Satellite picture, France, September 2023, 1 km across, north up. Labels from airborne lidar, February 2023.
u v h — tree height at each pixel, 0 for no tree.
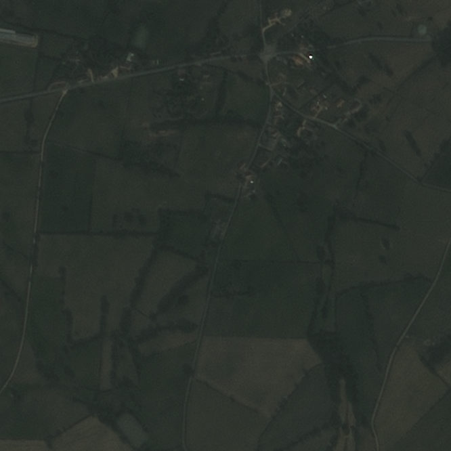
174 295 17
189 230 0
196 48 16
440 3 0
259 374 0
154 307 0
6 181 0
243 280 0
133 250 0
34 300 0
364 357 0
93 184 0
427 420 0
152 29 0
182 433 0
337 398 18
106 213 0
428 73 0
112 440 0
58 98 0
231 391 0
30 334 0
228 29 0
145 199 0
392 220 0
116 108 0
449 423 0
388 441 0
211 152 0
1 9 0
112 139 0
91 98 0
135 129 0
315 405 0
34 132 0
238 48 0
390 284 10
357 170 0
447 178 0
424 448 0
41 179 8
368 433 0
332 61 0
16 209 0
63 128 0
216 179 0
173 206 0
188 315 0
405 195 0
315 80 0
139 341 13
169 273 0
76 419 0
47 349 0
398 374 0
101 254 0
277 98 9
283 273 0
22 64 0
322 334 7
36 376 0
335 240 0
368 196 0
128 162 13
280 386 0
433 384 0
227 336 0
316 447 0
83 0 0
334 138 0
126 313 17
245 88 0
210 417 0
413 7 0
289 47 6
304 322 0
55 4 0
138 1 0
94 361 0
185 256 8
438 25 0
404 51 0
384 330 0
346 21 0
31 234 0
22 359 0
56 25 0
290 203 0
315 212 0
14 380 0
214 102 0
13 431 0
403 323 0
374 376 0
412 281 8
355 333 0
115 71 0
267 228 0
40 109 0
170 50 0
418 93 0
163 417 0
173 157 0
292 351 0
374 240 0
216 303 0
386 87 0
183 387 0
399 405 0
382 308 0
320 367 0
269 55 0
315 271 0
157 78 0
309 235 0
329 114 0
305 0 0
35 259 10
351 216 18
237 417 0
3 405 0
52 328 0
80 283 0
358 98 0
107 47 9
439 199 0
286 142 0
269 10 0
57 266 0
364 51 0
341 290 0
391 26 0
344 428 8
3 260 0
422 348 0
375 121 0
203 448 0
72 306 0
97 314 0
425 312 0
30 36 0
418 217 0
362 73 0
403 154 0
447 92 0
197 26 0
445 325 0
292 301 0
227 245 0
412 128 0
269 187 0
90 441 0
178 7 0
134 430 0
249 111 0
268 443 0
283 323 0
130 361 0
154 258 8
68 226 0
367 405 0
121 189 0
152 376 0
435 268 0
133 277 0
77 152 0
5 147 0
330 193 0
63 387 0
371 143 0
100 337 11
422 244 0
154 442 0
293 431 0
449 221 0
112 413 0
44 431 0
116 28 0
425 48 0
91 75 0
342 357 17
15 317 0
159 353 0
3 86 0
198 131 0
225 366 0
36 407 0
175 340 0
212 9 0
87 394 0
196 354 0
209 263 0
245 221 0
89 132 0
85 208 0
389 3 0
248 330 0
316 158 6
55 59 8
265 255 0
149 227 0
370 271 0
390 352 0
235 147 0
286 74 0
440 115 0
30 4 0
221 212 0
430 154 0
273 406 0
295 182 0
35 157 0
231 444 0
